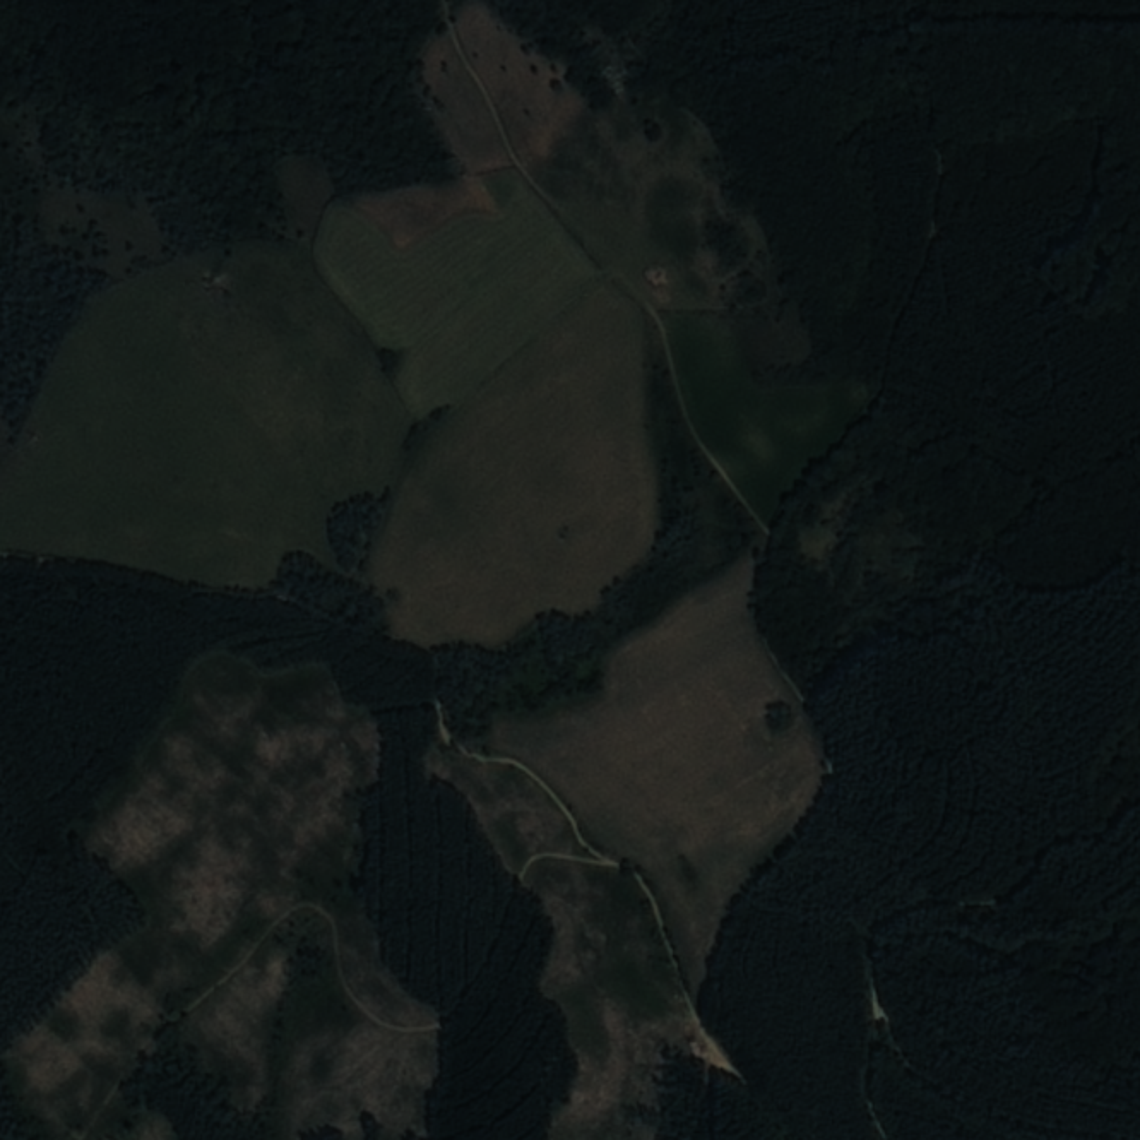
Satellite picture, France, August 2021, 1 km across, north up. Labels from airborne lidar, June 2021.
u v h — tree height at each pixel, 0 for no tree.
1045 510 14
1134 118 25
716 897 0
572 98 0
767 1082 19
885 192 13
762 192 9
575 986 0
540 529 0
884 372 13
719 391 0
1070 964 15
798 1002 16
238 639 16
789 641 9
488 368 0
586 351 0
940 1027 26
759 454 0
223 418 0
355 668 12
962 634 19
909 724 19
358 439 0
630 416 0
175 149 10
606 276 0
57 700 13
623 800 0
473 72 0
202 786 0
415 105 7
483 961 13
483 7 0
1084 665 24
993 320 16
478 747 11
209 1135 13
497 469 0
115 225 0
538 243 0
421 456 0
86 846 19
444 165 6
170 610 13
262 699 0
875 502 7
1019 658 28
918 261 12
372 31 13
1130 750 15
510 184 0
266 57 9
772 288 0
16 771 8
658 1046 0
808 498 12
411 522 0
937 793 17
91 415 0
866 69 24
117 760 14
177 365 0
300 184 0
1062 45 25
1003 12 11
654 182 0
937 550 6
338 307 0
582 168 0
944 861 16
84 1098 0
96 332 0
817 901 26
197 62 28
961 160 10
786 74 27
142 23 25
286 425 0
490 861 14
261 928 0
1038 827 24
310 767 0
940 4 17
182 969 0
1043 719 24
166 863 0
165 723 12
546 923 15
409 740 16
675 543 10
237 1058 0
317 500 0
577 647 9
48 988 27
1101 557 19
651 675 0
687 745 0
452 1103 13
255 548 0
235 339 0
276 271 0
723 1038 19
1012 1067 23
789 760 0
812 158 22
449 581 0
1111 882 29
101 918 28
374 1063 0
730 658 0
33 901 24
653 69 9
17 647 12
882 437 14
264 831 0
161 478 0
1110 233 31
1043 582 16
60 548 0
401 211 0
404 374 0
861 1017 17
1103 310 24
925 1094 18
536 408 0
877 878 22
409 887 11
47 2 22
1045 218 16
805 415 0
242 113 16
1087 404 15
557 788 0
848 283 18
